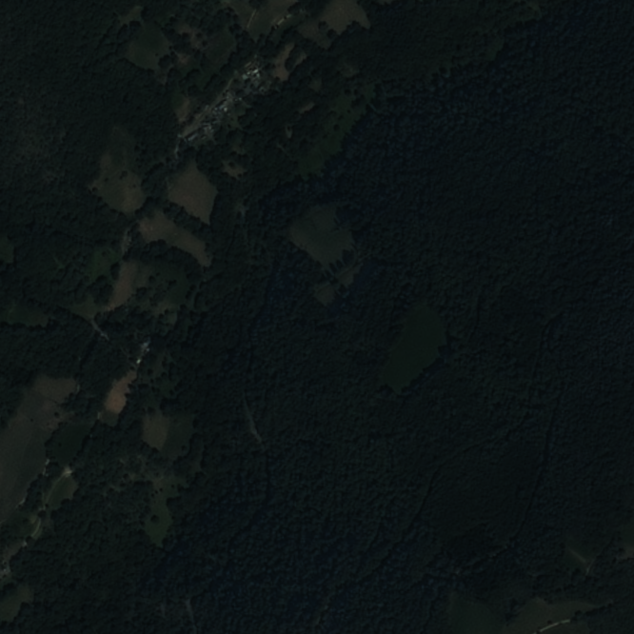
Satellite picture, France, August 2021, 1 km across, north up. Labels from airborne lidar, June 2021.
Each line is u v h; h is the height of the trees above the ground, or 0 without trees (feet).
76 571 40
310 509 104
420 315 0
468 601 51
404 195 84
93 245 49
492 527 67
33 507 40
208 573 37
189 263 64
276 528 90
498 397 69
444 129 85
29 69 47
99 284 41
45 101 35
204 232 88
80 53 65
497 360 74
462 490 59
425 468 57
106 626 94
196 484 57
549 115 73
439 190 99
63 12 91
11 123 52
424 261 74
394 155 58
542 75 90
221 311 54
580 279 76
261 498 56
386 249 76
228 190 52
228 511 95
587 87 74
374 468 63
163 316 39
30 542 48
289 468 80
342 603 41
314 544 77
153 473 70
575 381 71
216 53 0
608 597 49
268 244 60
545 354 55
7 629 77
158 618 26
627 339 63
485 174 63
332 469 76
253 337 72
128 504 76
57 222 73
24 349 50
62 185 57
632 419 82
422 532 82
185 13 52
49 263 77
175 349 69
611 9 64
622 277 63
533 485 65
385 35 96
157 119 73
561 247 79
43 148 27
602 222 55
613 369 71
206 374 86
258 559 67
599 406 68
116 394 0
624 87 73
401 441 54
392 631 49
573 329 67
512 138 87
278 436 50
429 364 0
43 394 0
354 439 42
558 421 71
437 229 72
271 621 57
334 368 58
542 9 45
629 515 28
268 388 64
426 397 39
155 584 62
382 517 54
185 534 85
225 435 82
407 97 81
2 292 73
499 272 52
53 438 30
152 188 59
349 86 51
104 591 61
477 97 88
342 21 0
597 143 82
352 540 44
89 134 68
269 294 58
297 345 55
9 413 64
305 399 57
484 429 53
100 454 42
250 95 19
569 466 75
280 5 0
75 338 62
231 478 80
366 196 82
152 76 57
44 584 60
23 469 0
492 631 0
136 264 0
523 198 93
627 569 30
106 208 68
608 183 72
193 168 0
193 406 74
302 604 46
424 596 59
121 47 60
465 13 67
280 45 29
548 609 0
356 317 53
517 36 80
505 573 24
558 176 81
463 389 55
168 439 0
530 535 77
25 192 32
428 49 73
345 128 0
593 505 57
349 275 0
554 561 36
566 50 62
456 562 24
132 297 23
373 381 49
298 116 64
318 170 0
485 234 60
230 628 51
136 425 84
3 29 60
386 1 0
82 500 43
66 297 76
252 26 0
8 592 63
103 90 79
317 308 50
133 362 26
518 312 39
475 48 90
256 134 66
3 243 0
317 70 52
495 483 61
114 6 74
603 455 72
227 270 56
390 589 76
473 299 59
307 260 53
